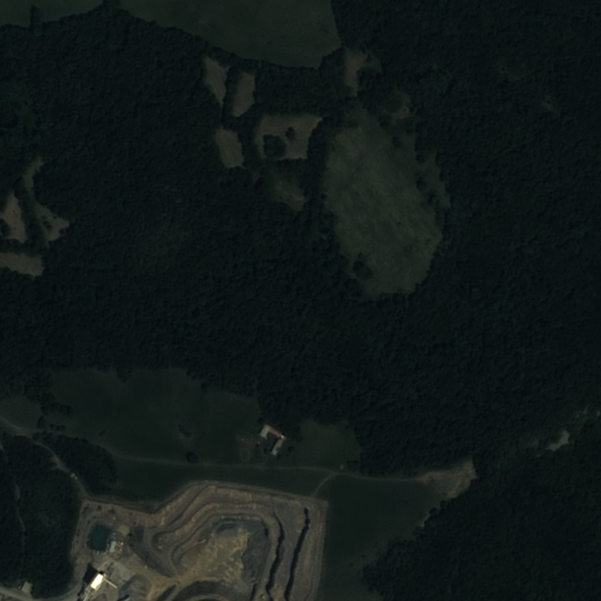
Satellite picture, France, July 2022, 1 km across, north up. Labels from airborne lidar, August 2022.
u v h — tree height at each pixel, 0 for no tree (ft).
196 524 0
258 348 52
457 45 62
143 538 0
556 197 52
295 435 39
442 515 55
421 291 37
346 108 29
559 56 40
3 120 24
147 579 0
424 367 67
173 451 0
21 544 45
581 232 81
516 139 55
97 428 0
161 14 0
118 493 0
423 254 0
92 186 58
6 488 45
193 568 0
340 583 0
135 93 42
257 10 0
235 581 0
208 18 0
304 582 0
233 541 0
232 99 40
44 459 21
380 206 0
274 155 55
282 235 67
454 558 54
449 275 60
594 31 64
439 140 39
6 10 0
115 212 59
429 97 62
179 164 57
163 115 56
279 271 80
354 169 0
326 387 77
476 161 48
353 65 0
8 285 56
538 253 68
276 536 0
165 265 48
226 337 60
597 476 58
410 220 0
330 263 65
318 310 57
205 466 0
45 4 0
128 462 0
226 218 67
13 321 43
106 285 59
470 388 70
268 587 0
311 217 49
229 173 51
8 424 0
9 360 64
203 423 0
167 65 71
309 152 27
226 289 79
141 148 56
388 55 51
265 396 30
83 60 49
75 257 68
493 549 57
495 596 67
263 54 0
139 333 60
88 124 66
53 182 63
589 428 50
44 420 28
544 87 31
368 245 0
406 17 73
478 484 51
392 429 76
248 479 0
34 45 56
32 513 24
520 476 54
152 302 63
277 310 55
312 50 0
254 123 57
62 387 0
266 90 70
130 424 0
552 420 34
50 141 49
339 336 45
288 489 0
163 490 0
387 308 68
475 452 28
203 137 63
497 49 54
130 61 54
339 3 62
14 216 0
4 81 72
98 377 0
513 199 52
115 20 48
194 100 72
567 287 69
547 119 71
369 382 68
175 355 48
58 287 81
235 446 0
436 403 68
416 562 31
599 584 67
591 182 70
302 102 51
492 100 57
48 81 60
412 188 0
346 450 0
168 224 31
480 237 39
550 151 59
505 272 57
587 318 63
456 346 68
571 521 61
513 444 22
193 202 52
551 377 73
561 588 73
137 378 0
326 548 0
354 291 44
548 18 57
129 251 37
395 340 78
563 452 47
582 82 67
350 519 0
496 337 45
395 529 0
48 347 51
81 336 59
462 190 59
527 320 48
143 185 51
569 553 70
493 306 77
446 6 59
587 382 66
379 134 0
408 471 36
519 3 28
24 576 28
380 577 30
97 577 0
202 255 56
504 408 78
